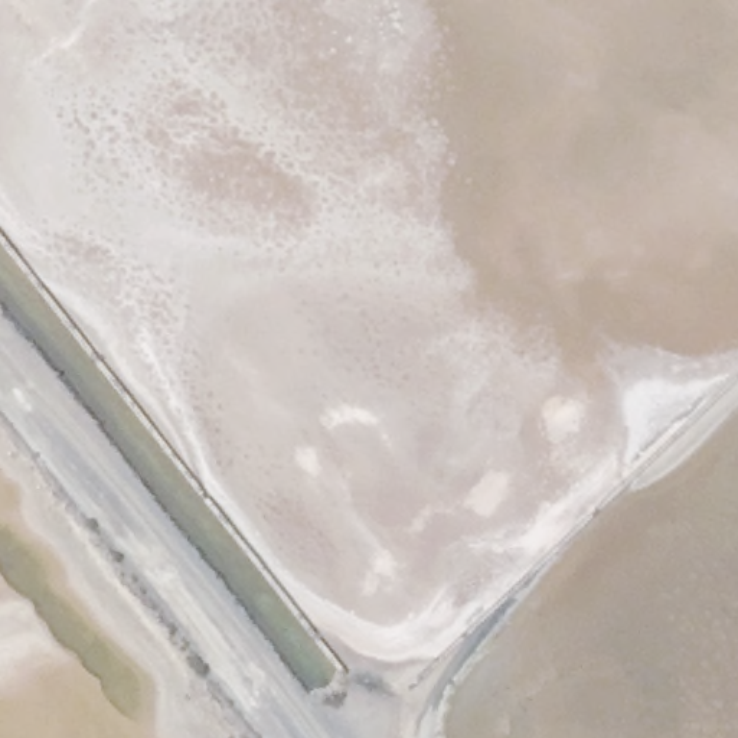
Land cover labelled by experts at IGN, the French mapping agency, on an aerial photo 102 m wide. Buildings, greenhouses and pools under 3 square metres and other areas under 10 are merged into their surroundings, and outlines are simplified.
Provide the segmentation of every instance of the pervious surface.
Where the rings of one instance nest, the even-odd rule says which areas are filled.
[[[17,680],[26,680],[32,672],[58,666],[69,652],[52,640],[40,617],[35,614],[32,603],[12,594],[6,603],[0,603],[0,698]]]
[[[455,167],[455,150],[444,144],[447,135],[441,133],[441,124],[435,118],[424,118],[424,110],[418,107],[418,101],[427,101],[427,95],[418,95],[415,86],[430,78],[430,55],[441,46],[438,29],[432,26],[435,17],[424,0],[0,0],[0,251],[12,259],[12,265],[23,274],[35,294],[49,306],[49,311],[72,334],[81,352],[95,363],[95,369],[104,375],[112,392],[127,404],[133,418],[179,470],[185,484],[196,496],[202,496],[205,507],[236,542],[236,548],[248,556],[257,574],[271,585],[271,591],[291,611],[291,617],[306,628],[306,634],[332,669],[332,680],[326,686],[306,692],[300,689],[300,683],[274,654],[271,643],[251,626],[251,620],[234,603],[234,597],[225,591],[216,574],[199,559],[199,554],[159,510],[159,504],[135,479],[135,473],[124,464],[118,450],[101,435],[98,424],[84,412],[84,406],[69,395],[58,375],[43,363],[43,357],[14,332],[14,326],[0,311],[0,476],[9,479],[20,493],[20,519],[12,525],[12,530],[29,545],[40,548],[40,554],[49,562],[52,588],[63,594],[124,657],[130,657],[130,663],[141,675],[150,677],[156,738],[444,738],[444,715],[450,709],[453,692],[461,680],[470,677],[470,672],[479,663],[490,657],[487,634],[499,631],[502,626],[510,626],[525,597],[536,591],[548,568],[556,562],[562,551],[559,542],[582,530],[591,522],[594,510],[605,507],[620,490],[643,490],[669,476],[672,470],[677,470],[738,409],[738,349],[686,357],[657,346],[623,346],[614,340],[611,346],[605,346],[603,355],[597,355],[597,360],[571,363],[565,369],[559,363],[559,346],[551,326],[513,326],[507,314],[496,311],[496,303],[476,294],[473,268],[455,254],[450,231],[441,228],[438,196],[444,176]]]

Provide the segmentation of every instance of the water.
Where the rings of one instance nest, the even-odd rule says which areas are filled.
[[[306,692],[326,686],[332,680],[332,669],[306,634],[306,628],[291,617],[291,611],[271,591],[271,585],[257,574],[248,556],[236,548],[236,542],[205,507],[202,496],[196,496],[185,484],[179,470],[133,418],[127,404],[112,392],[104,375],[95,369],[95,363],[81,352],[72,334],[49,311],[49,306],[35,294],[23,274],[12,265],[12,259],[0,251],[0,311],[14,326],[14,332],[43,357],[43,363],[58,375],[69,395],[84,406],[84,412],[98,424],[101,435],[118,450],[124,464],[135,473],[135,479],[159,504],[159,510],[199,554],[199,559],[216,574],[225,591],[234,597],[234,603],[251,620],[251,626],[271,643],[274,654],[300,683],[300,689]]]
[[[35,614],[40,617],[52,640],[69,652],[58,666],[32,672],[26,680],[17,680],[0,698],[0,738],[156,738],[150,677],[141,675],[130,663],[130,657],[124,657],[63,594],[52,588],[49,562],[40,554],[40,548],[29,545],[12,530],[12,525],[20,519],[20,493],[9,479],[0,476],[0,603],[6,603],[12,594],[32,603]]]
[[[597,360],[597,355],[603,355],[605,346],[611,346],[614,340],[623,346],[657,346],[686,357],[738,349],[738,0],[424,0],[435,17],[432,26],[438,29],[441,46],[430,55],[430,78],[415,86],[418,95],[427,95],[427,101],[418,101],[418,107],[424,110],[424,118],[435,118],[441,124],[441,133],[447,135],[444,144],[455,150],[455,167],[444,176],[438,196],[441,228],[450,231],[455,254],[473,268],[476,294],[496,303],[496,311],[507,314],[513,326],[551,326],[559,346],[559,363],[565,369],[571,363]]]
[[[738,738],[738,409],[677,470],[672,470],[669,476],[643,490],[620,490],[605,507],[594,510],[591,522],[582,530],[559,542],[562,551],[556,562],[548,568],[536,591],[525,597],[510,626],[502,626],[499,631],[487,634],[490,657],[479,663],[470,672],[470,677],[461,680],[453,692],[450,709],[444,715],[444,738]]]

